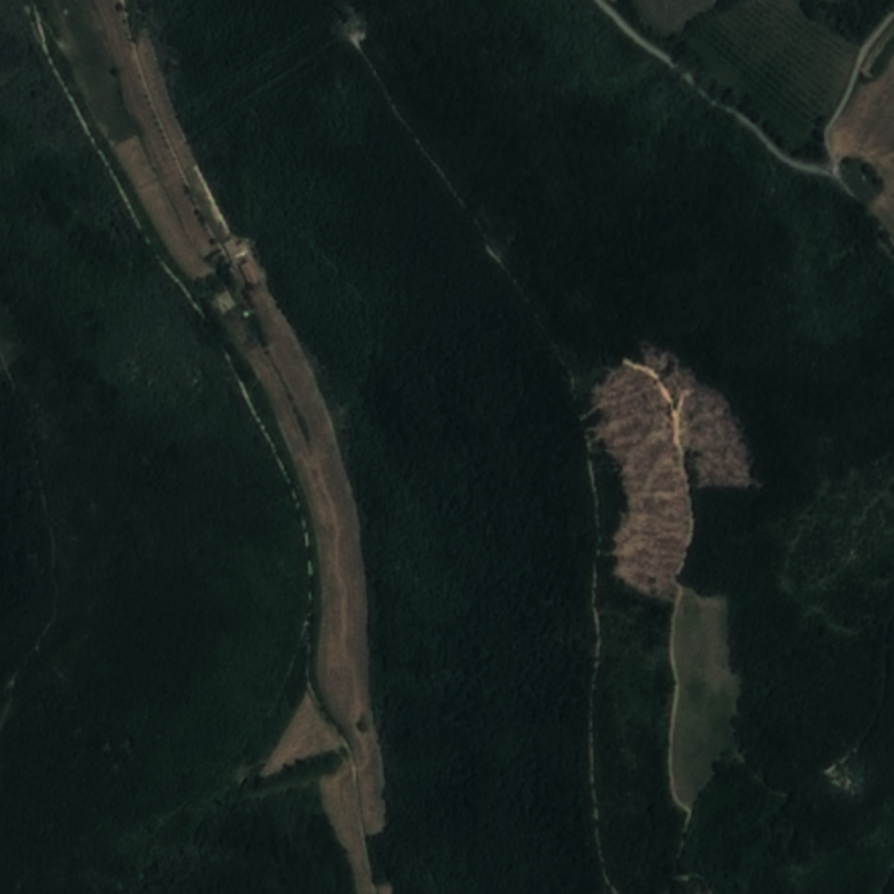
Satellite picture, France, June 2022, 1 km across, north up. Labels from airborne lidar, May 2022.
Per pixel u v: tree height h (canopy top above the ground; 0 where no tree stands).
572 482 7
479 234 6
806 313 7
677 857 14
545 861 10
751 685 9
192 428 7
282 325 0
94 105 0
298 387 0
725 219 9
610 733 6
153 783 10
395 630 10
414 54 9
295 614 7
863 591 7
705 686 0
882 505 7
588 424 8
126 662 9
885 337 13
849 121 0
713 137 8
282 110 9
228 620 8
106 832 6
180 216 0
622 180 8
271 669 8
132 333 5
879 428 10
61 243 8
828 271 8
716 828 6
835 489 7
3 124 7
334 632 0
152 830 8
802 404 11
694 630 0
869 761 8
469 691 13
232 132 8
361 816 0
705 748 0
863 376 9
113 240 8
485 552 11
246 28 10
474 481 11
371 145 9
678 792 0
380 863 9
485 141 11
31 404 6
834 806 9
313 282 9
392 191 9
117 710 12
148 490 13
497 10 14
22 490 8
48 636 6
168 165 0
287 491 10
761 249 10
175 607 8
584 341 9
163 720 12
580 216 10
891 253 7
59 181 10
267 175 9
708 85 27
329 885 9
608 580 10
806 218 8
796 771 20
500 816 16
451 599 7
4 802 8
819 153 7
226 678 8
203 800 8
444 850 13
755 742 13
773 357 6
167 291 6
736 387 14
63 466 7
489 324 11
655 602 10
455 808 12
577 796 10
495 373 10
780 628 8
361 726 11
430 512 9
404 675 7
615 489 8
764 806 7
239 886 7
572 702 12
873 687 15
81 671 9
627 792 9
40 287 8
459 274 9
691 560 13
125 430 7
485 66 13
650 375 0
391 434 12
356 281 7
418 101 11
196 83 8
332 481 0
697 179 9
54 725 9
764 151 7
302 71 12
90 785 9
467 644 13
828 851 6
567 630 9
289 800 6
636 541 0
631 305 13
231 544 8
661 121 7
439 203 9
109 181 7
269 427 9
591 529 7
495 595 11
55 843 11
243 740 7
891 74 0
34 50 15
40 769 9
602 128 13
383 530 7
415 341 12
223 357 6
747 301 9
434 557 7
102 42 0
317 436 0
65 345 8
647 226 14
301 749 0
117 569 12
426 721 14
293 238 6
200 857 8
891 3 15
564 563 11
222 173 6
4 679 7
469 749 13
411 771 7
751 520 14
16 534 8
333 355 8
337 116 6
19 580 7
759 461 14
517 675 13
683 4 0
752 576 7
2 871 9
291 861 11
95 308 10
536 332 10
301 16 7
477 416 6
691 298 9
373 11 7
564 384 9
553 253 10
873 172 13
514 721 11
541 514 10
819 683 13
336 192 7
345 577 0
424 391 11
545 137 12
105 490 6
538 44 8
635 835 7
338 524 0
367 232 9
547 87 8
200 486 9
